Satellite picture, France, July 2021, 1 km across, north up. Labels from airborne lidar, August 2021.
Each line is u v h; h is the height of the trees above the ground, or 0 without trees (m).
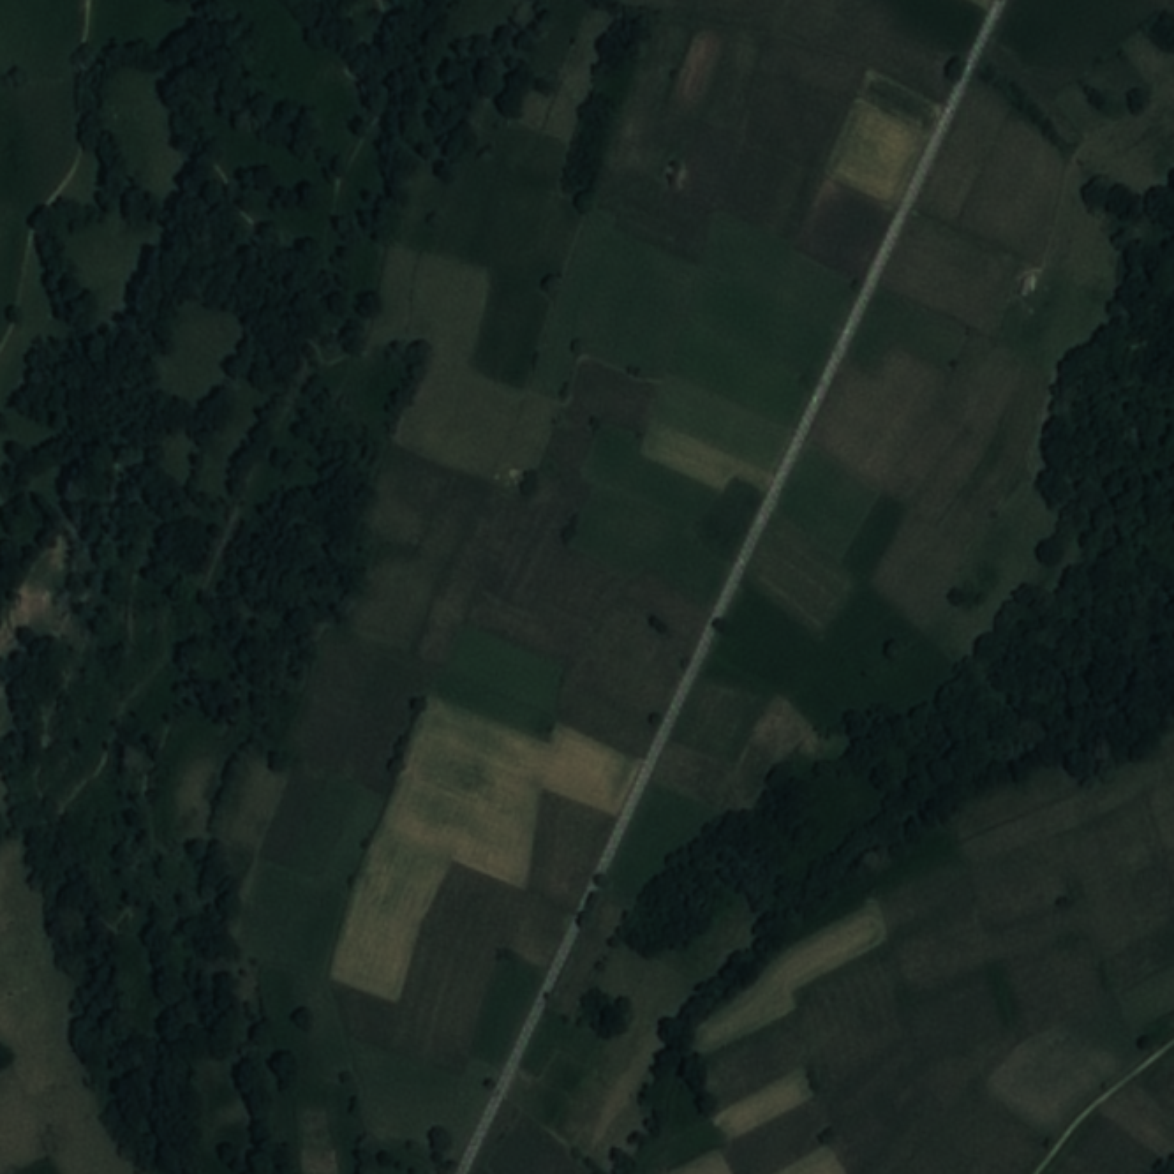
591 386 0
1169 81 0
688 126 0
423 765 0
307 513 25
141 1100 24
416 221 0
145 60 25
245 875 0
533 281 0
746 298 0
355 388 0
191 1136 13
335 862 0
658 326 0
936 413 0
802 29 0
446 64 7
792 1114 0
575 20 0
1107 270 0
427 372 10
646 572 0
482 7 0
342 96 0
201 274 17
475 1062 0
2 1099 0
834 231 0
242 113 13
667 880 14
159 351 18
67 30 0
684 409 0
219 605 19
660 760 0
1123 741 24
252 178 22
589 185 8
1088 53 0
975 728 26
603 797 0
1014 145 0
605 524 0
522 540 0
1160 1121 0
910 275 0
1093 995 0
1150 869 0
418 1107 0
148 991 0
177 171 0
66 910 21
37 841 22
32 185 0
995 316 0
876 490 0
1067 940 0
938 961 0
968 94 0
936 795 13
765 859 18
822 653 0
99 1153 0
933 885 0
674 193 0
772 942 15
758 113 0
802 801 20
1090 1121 0
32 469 23
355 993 0
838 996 0
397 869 0
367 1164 15
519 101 15
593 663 0
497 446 0
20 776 12
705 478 0
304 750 0
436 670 0
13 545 16
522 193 0
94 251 0
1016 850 0
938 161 0
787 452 0
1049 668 8
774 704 0
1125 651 29
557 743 0
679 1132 0
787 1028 0
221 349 0
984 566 0
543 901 0
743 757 0
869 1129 0
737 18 0
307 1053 0
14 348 0
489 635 0
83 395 22
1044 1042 0
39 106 0
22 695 23
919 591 0
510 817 0
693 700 0
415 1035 0
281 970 0
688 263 0
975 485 0
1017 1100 0
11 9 0
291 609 16
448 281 0
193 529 12
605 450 0
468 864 0
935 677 0
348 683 0
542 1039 0
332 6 16
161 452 12
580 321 0
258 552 14
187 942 9
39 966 0
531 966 0
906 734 24
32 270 0
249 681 13
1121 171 0
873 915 0
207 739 0
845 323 0
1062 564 15
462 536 0
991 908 0
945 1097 0
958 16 0
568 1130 0
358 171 0
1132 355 27
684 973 0
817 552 0
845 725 7
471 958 0
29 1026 0
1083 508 19
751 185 0
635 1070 0
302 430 16
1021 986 0
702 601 0
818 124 0
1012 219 0
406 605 0
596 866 0
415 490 0
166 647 0
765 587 0
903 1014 0
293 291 23
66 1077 0
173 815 0
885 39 0
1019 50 0
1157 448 30
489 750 0
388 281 0
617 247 0
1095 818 0
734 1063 0
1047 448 16
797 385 0
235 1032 16
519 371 0
